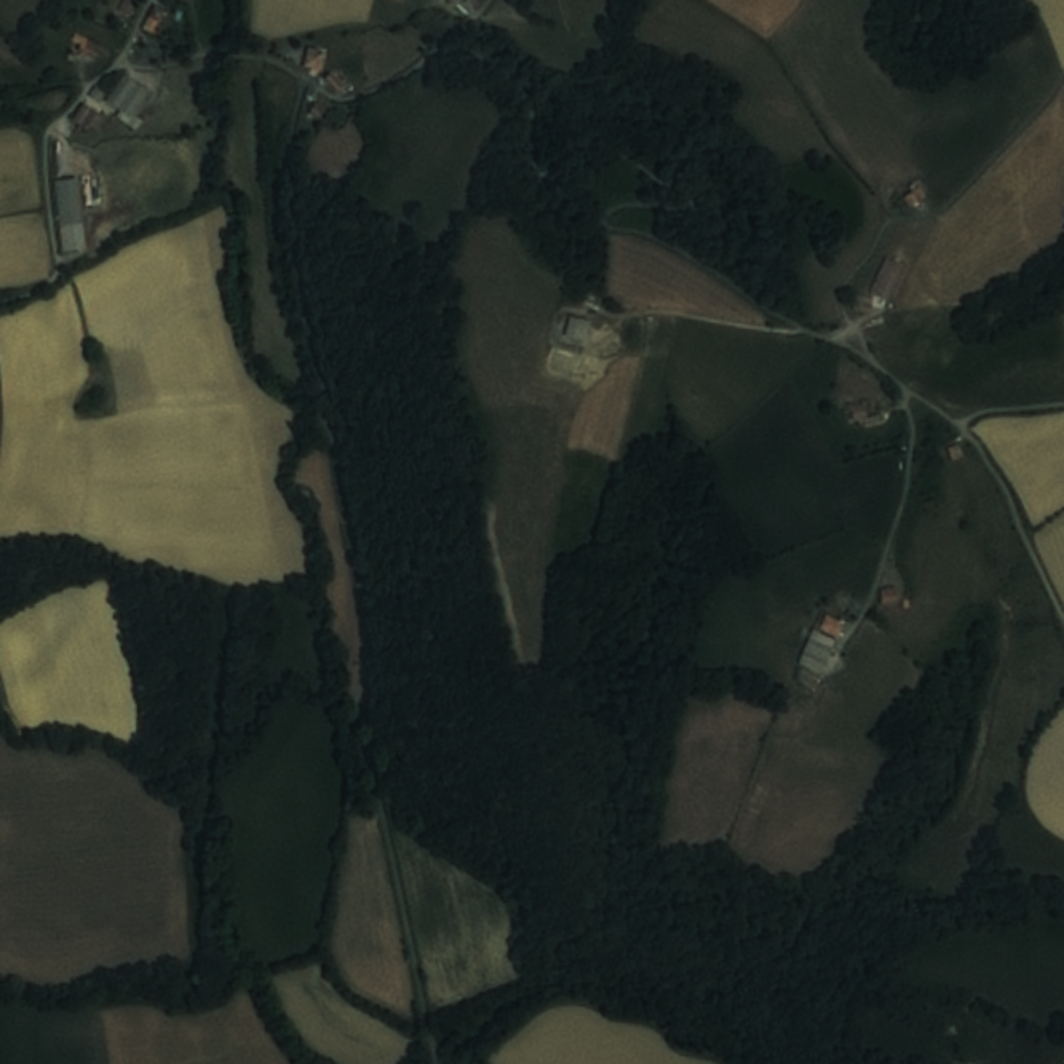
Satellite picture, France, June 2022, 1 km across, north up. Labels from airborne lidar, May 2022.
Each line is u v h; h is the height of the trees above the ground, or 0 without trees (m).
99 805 0
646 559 22
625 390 0
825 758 0
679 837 0
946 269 0
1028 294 24
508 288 0
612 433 0
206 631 21
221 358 0
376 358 18
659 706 26
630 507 19
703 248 18
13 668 0
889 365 0
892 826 20
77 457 0
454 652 22
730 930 28
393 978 0
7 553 23
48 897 0
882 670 0
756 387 0
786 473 0
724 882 17
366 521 15
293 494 19
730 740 0
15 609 19
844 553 0
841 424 0
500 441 0
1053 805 0
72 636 0
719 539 25
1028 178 0
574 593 21
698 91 14
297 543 0
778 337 0
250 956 22
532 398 0
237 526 0
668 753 14
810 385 0
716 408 0
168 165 0
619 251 0
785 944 24
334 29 0
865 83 0
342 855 10
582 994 16
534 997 17
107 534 0
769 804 0
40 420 0
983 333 15
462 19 9
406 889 0
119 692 0
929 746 23
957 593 0
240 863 0
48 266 0
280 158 0
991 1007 10
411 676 23
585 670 31
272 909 0
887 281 0
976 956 0
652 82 20
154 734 23
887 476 0
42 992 17
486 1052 19
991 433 0
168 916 0
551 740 15
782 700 15
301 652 0
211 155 11
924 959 0
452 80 15
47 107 0
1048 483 0
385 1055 0
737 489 0
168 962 18
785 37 0
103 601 0
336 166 0
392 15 0
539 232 11
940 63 21
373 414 16
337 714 21
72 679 0
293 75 0
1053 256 19
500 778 19
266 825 0
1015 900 28
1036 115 0
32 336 0
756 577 18
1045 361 0
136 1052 0
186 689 27
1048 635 0
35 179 0
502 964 0
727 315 0
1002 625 0
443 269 19
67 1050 0
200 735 22
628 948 19
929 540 0
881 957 19
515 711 18
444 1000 0
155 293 0
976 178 0
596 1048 0
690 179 25
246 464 0
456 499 13
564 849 12
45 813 0
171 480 0
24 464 0
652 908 22
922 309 0
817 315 0
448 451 21
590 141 12
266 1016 16
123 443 0
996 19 19
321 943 6
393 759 20
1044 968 0
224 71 28
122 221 0
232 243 22
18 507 0
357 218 17
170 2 12
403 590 19
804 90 0
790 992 21
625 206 0
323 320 14
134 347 0
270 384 20
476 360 0
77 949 0
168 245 0
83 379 0
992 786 0
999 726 0
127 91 0
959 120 0
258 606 26
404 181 0
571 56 0
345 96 0
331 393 11
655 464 25
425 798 20
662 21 0
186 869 0
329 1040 0
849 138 0
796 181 0
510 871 21
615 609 23
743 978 25
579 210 12
